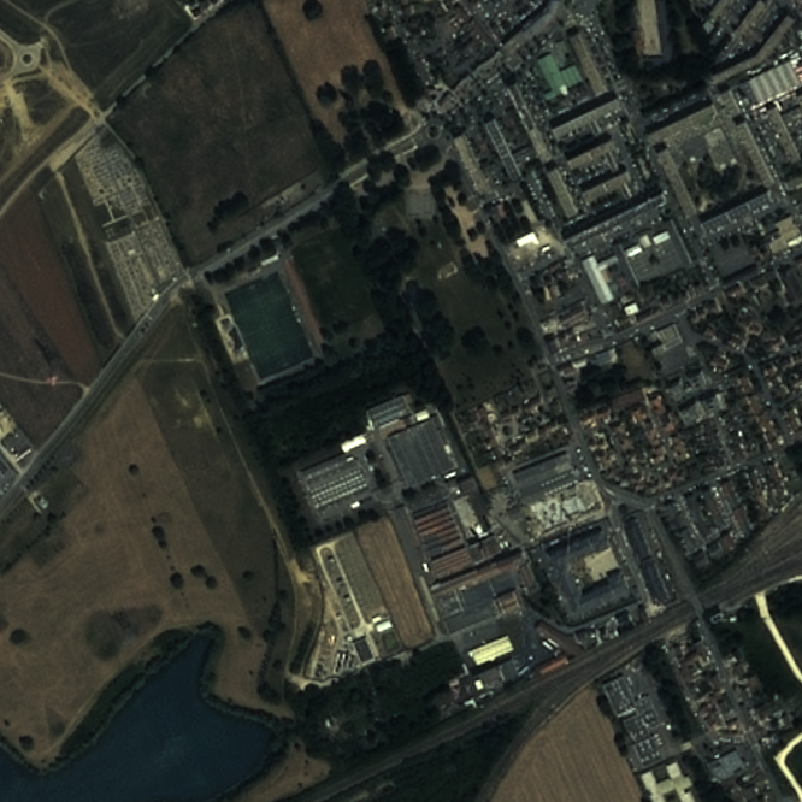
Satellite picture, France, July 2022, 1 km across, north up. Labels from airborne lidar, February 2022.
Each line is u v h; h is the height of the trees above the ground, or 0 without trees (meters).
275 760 13
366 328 0
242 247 0
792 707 0
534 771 0
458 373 0
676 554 0
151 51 0
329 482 0
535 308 0
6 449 0
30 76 0
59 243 0
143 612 0
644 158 6
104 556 0
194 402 0
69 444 0
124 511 0
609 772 0
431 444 0
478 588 0
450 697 0
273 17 0
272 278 0
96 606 0
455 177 17
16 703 0
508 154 0
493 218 6
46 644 0
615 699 0
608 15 0
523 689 0
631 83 0
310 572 0
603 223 0
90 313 0
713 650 0
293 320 0
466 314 0
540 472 0
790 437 0
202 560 0
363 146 27
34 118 0
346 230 15
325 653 0
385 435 0
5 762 0
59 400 0
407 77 9
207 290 0
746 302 7
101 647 0
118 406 0
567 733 0
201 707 0
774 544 0
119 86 0
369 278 9
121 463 0
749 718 0
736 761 0
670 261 0
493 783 0
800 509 0
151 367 0
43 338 0
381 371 10
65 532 0
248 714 11
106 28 0
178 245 8
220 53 0
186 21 0
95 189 0
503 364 0
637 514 0
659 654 18
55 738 0
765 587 0
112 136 0
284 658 0
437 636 0
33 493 0
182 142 0
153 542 0
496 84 0
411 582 0
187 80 0
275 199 0
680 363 0
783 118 0
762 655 0
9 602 0
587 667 0
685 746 0
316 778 0
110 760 0
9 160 0
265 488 0
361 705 9
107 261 0
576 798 0
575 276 0
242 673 0
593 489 0
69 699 0
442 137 0
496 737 21
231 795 6
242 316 0
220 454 0
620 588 0
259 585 0
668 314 0
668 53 0
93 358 0
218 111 0
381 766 0
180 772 0
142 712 0
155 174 0
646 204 0
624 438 0
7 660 0
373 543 0
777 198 0
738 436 0
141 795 0
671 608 0
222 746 0
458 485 0
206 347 0
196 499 0
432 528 0
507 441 0
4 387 0
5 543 0
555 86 0
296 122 0
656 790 0
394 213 0
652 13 0
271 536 0
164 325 0
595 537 0
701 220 0
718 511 0
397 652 0
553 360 0
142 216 0
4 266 0
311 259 0
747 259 0
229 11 11
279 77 0
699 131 0
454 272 0
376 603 0
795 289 0
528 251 0
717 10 0
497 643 0
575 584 0
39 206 0
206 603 0
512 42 0
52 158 0
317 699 16
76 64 0
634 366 0
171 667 0
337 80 0
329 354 15
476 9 0
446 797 6
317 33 0
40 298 0
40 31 0
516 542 0
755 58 0
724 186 14
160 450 0
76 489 0
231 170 0
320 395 6
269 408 21
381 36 11
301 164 0
